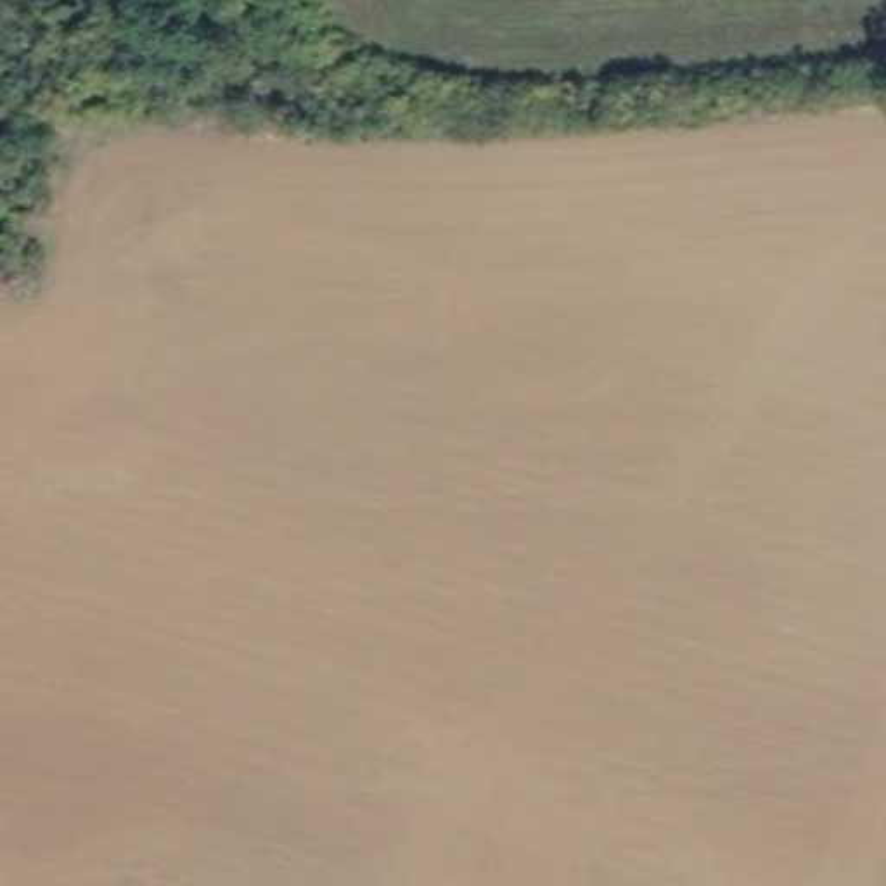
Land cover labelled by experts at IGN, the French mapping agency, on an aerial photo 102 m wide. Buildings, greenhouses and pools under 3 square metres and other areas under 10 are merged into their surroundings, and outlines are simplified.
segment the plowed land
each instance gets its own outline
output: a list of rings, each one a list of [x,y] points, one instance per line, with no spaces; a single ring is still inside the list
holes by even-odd
[[[111,145],[93,152],[83,173],[73,180],[66,201],[59,204],[55,239],[45,249],[45,253],[45,270],[45,291],[35,305],[10,301],[0,291],[0,886],[886,886],[886,121],[879,114],[838,114],[824,121],[803,121],[789,111],[768,114],[758,107],[741,125],[720,132],[613,135],[595,142],[540,138],[485,149],[401,142],[322,149],[301,142],[246,142],[208,132],[121,132]]]

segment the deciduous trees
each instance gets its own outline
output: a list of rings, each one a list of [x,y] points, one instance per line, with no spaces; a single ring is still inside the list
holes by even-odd
[[[886,121],[886,0],[883,0],[862,17],[865,38],[838,48],[793,48],[782,55],[709,59],[689,66],[671,62],[665,55],[644,55],[613,59],[602,69],[543,73],[464,66],[363,42],[339,21],[322,24],[325,0],[0,0],[0,270],[7,266],[7,256],[45,253],[45,249],[35,235],[24,232],[24,218],[52,201],[52,135],[69,121],[76,132],[121,132],[208,132],[246,142],[301,142],[322,149],[401,142],[485,149],[540,138],[595,142],[613,135],[720,132],[741,125],[758,107],[768,114],[789,111],[803,121],[824,121],[838,114],[879,114]]]

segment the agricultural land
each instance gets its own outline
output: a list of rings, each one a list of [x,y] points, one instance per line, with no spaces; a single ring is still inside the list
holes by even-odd
[[[665,55],[671,62],[689,66],[709,59],[782,55],[793,48],[838,48],[865,38],[862,17],[883,0],[325,0],[322,24],[339,21],[363,42],[464,66],[543,73],[602,69],[613,59],[644,55]]]

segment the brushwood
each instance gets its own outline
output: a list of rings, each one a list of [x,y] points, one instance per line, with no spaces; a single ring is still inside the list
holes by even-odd
[[[7,256],[7,266],[0,270],[0,284],[14,273],[38,277],[45,270],[45,253]]]

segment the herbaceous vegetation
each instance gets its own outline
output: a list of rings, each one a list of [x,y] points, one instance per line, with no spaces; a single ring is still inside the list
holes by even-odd
[[[69,121],[52,135],[52,201],[24,218],[24,232],[35,235],[45,249],[55,239],[59,204],[66,201],[73,180],[83,173],[93,152],[111,145],[121,132],[76,132]]]
[[[0,284],[0,291],[10,301],[35,305],[45,291],[45,270],[38,277],[14,273]]]

